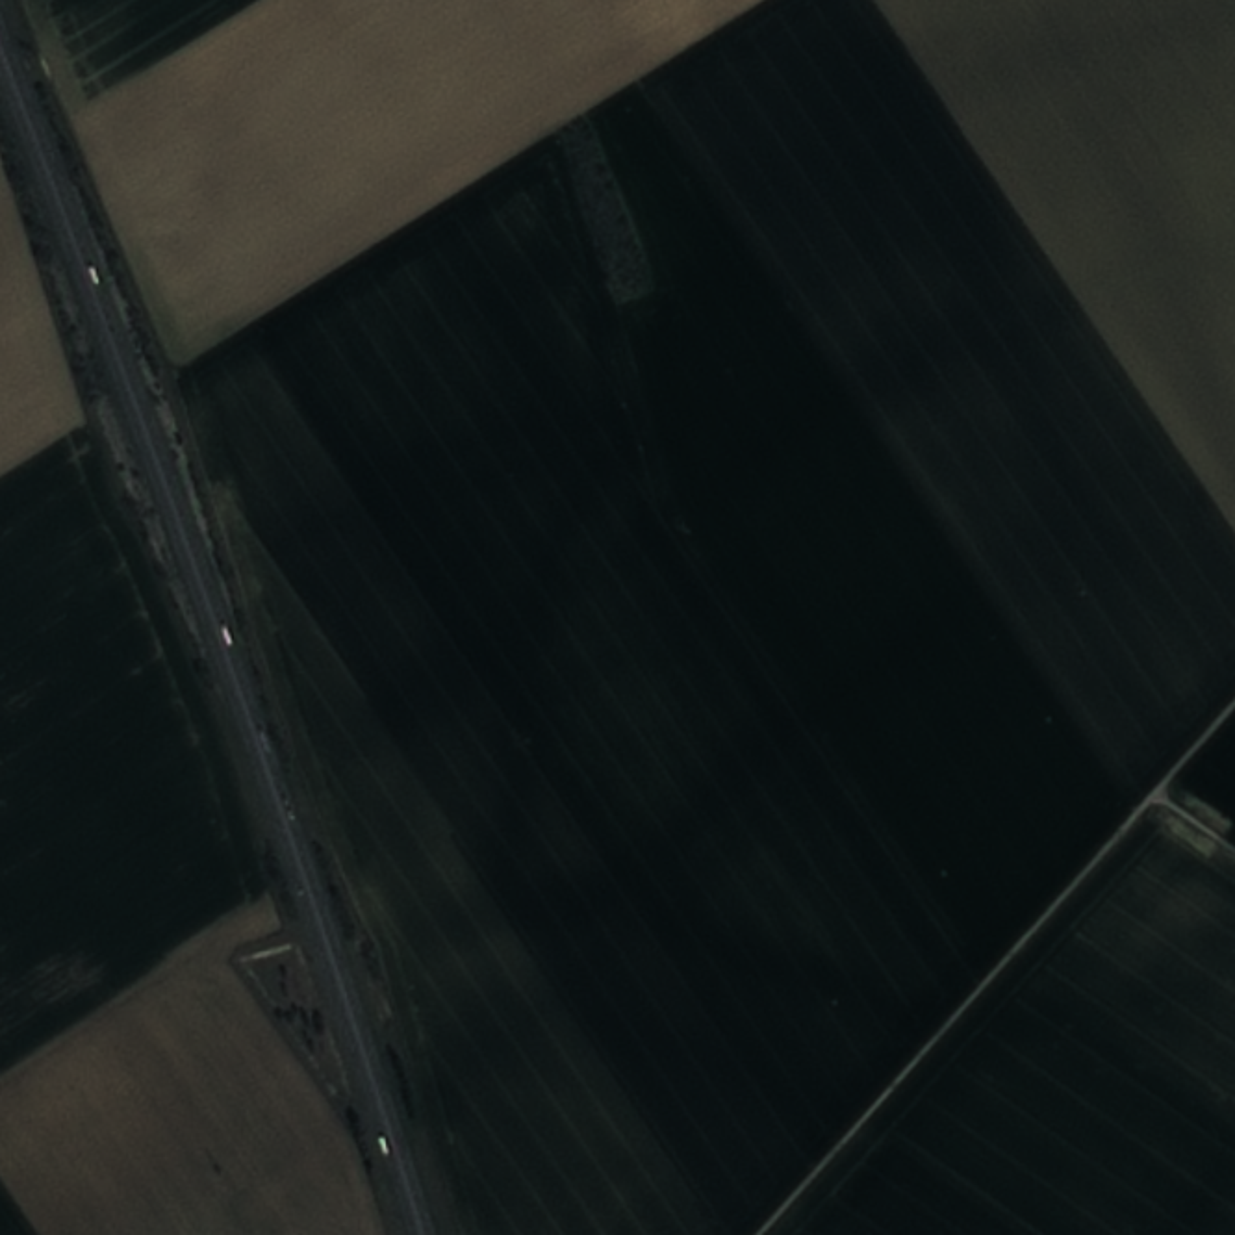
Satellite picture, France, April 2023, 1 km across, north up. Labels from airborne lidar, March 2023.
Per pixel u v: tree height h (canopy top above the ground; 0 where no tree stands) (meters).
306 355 0
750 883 0
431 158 0
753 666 0
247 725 0
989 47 0
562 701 0
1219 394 0
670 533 0
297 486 0
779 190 0
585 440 0
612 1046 0
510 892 0
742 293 0
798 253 0
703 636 0
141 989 0
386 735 0
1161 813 0
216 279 0
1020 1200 0
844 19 0
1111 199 0
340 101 0
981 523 0
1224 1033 0
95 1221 0
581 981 0
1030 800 0
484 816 0
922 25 0
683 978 0
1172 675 0
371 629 0
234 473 0
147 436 0
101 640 0
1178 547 0
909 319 0
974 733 0
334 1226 0
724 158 0
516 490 0
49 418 0
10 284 0
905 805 0
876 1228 0
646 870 0
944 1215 0
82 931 0
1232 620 0
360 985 0
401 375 0
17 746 0
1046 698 0
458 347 0
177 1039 0
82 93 0
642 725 0
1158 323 0
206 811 0
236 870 0
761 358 0
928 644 0
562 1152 0
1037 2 0
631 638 0
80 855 0
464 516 0
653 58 0
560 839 0
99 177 0
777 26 0
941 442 0
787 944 0
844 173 0
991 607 0
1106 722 0
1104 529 0
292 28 0
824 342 0
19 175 11
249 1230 0
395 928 0
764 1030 0
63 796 0
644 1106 0
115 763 0
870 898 0
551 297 0
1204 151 0
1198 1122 0
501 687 0
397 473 0
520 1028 0
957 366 0
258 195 0
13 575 0
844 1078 0
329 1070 0
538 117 0
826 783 0
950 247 0
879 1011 0
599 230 7
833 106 0
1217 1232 0
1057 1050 0
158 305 0
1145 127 0
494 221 0
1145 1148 0
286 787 0
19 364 0
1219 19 0
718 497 0
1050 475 0
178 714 0
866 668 0
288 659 0
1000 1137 0
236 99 0
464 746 0
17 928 0
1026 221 0
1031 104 0
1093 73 0
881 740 0
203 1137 0
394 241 0
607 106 0
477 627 0
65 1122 0
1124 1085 0
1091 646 0
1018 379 0
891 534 0
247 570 0
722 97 0
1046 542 0
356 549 0
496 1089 0
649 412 0
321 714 0
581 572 0
